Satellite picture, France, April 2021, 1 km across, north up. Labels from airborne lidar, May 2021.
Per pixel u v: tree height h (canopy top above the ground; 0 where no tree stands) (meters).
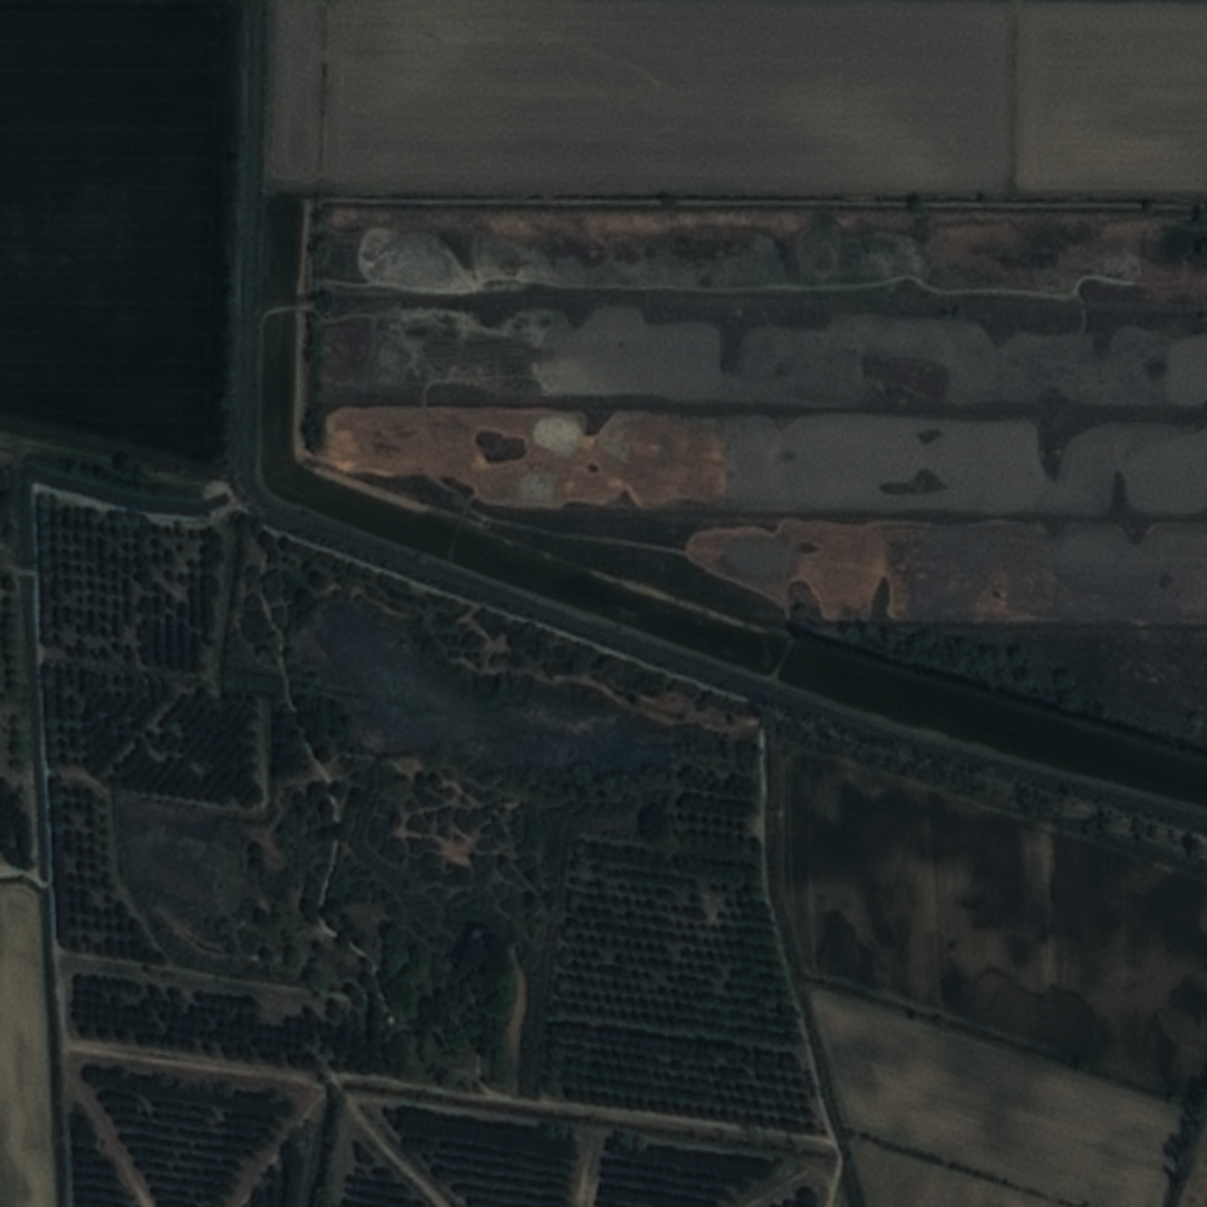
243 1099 14
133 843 0
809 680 0
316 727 8
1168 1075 0
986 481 0
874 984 0
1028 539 0
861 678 0
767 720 27
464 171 0
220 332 0
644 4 0
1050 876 0
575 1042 10
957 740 0
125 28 0
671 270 0
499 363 0
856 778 0
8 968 0
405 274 0
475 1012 11
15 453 0
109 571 10
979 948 0
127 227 0
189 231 0
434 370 0
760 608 0
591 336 0
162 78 0
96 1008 10
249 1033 11
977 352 0
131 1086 13
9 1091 0
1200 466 0
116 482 11
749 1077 11
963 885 0
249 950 6
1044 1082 0
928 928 0
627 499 0
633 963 9
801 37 0
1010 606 0
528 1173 10
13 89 0
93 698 10
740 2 0
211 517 0
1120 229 0
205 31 0
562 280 0
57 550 10
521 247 0
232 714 10
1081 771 0
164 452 0
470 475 0
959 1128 0
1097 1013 0
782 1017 11
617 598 0
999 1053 0
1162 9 0
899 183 0
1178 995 0
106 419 0
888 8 0
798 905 0
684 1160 12
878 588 0
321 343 12
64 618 9
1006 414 0
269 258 0
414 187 0
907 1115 0
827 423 0
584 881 14
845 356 0
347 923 7
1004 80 0
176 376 0
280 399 0
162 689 8
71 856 10
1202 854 24
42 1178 0
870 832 0
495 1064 10
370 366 0
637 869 14
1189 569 0
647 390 0
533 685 6
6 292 0
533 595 0
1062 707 12
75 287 0
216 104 0
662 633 0
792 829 0
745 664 0
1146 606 0
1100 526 0
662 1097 12
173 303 0
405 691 0
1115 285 0
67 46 0
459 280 0
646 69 0
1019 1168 0
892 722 0
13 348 0
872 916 0
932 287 0
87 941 9
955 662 15
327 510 0
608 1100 11
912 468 0
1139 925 0
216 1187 11
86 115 0
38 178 0
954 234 0
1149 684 0
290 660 10
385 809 6
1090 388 0
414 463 0
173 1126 11
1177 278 0
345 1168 0
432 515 0
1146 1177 0
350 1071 10
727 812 8
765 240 0
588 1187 0
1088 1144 0
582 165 0
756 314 0
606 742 0
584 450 0
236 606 7
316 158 0
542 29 0
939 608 0
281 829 8
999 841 0
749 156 0
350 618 0
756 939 14
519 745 0
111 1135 0
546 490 0
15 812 10
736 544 0
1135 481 0
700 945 10
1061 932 0
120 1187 11
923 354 0
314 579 10
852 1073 0
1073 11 0
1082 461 0
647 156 0
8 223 0
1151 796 0
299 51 0
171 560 10
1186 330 0
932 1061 0
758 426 0
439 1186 7
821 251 0
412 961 13
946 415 0
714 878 10
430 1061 10
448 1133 14
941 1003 0
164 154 0
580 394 0
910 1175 0
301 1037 12
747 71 0
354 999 9
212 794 9
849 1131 6
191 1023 11
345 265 0
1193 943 0
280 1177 14
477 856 7
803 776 0
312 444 11
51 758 10
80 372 0
